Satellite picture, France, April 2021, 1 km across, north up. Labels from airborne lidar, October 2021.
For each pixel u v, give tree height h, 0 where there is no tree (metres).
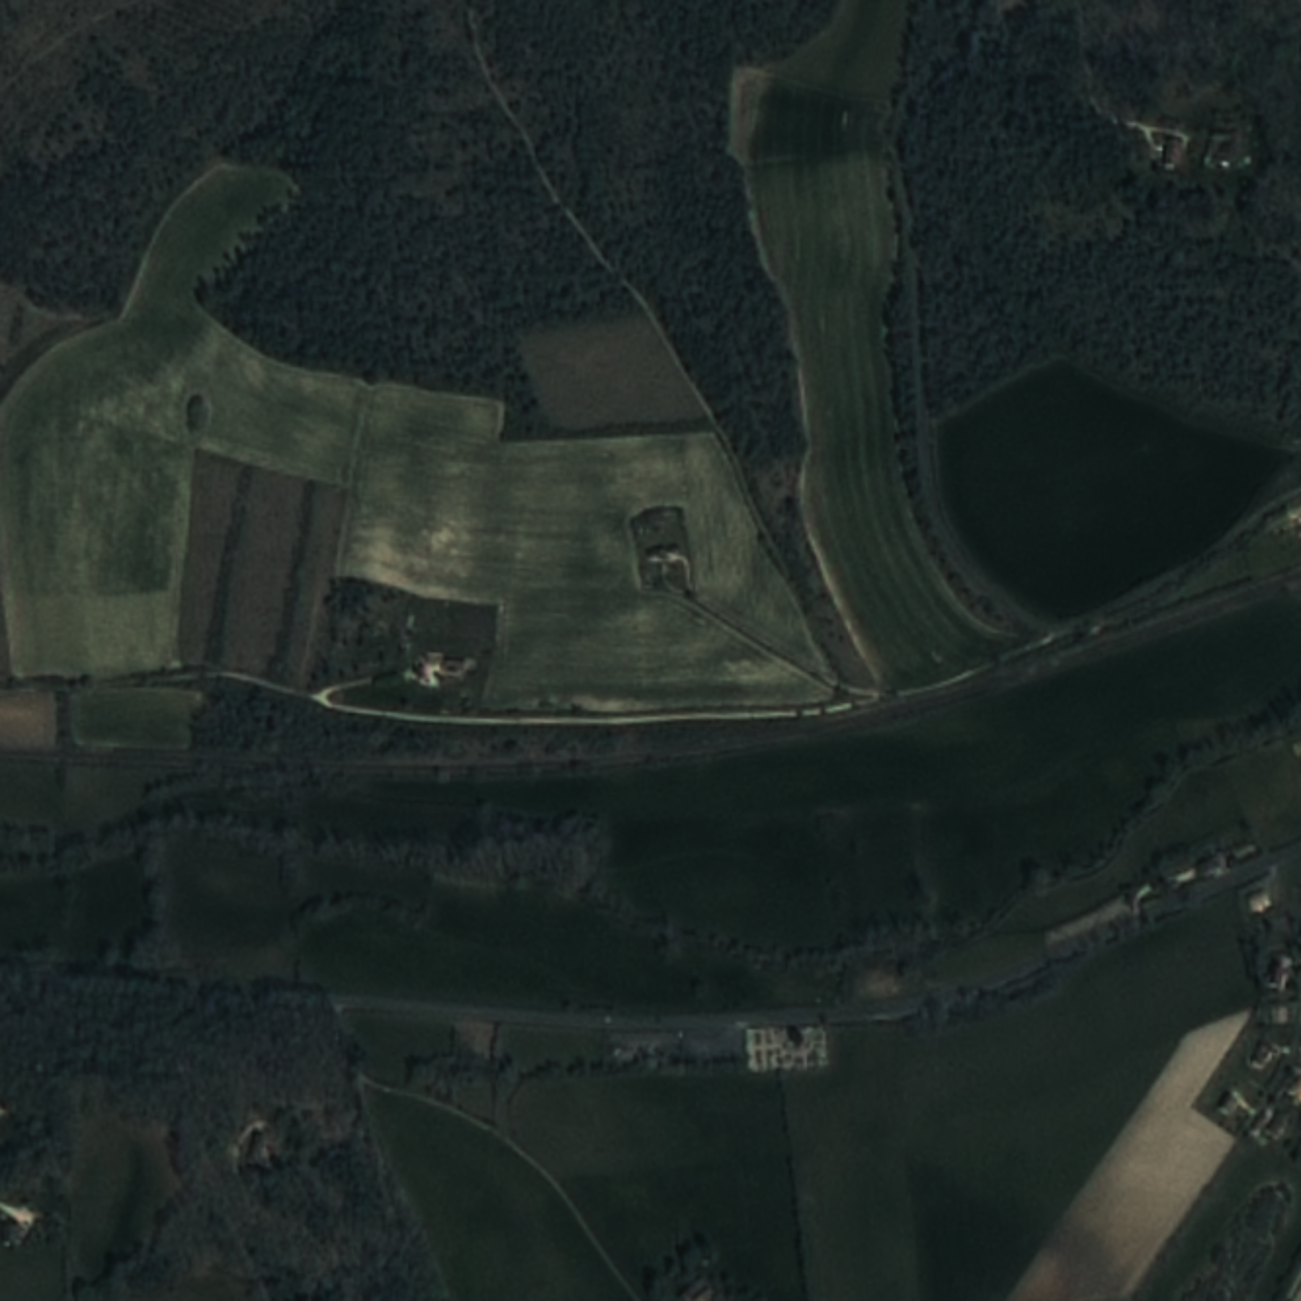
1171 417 0
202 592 0
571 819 11
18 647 0
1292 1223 0
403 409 0
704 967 0
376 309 10
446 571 0
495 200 10
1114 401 0
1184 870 15
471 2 10
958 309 8
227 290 11
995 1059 0
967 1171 0
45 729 0
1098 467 0
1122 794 0
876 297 0
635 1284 0
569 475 0
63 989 24
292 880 7
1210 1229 0
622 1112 0
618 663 0
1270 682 0
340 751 10
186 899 0
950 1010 8
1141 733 0
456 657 0
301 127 11
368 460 0
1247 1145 8
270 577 0
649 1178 0
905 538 0
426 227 9
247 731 16
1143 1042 0
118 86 5
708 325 19
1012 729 0
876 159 0
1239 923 0
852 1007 0
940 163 10
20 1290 0
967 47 14
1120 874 0
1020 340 7
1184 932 0
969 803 0
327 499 0
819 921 0
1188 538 0
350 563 0
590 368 0
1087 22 20
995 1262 0
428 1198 0
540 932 0
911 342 8
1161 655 0
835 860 0
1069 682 0
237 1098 19
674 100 12
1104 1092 0
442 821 0
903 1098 0
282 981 0
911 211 9
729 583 0
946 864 0
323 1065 24
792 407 11
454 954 0
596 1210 0
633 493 0
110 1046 20
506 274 9
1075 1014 0
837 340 0
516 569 0
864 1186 0
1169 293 12
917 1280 0
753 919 0
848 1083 0
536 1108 0
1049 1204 0
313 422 0
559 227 10
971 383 8
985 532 0
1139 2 18
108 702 0
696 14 20
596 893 28
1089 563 0
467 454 0
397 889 0
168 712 0
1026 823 0
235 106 9
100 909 0
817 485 0
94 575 0
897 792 0
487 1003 0
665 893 0
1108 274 10
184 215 0
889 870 0
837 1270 0
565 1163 0
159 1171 0
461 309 10
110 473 0
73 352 0
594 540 0
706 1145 0
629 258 13
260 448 0
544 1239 0
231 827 12
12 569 0
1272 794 0
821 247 0
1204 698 0
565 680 0
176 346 0
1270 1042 0
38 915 0
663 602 0
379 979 0
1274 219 19
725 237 12
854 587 0
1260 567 0
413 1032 0
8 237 16
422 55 7
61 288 14
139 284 0
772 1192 0
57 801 0
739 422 14
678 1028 0
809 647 0
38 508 0
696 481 0
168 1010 22
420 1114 0
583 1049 0
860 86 0
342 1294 20
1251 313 6
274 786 17
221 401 0
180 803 0
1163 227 13
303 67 12
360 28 16
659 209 9
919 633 0
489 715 8
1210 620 0
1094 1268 0
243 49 6
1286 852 0
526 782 16
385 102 11
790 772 0
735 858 0
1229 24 24
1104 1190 0
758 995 0
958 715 0
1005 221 8
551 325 12
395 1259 18
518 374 11
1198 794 0
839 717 0
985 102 11
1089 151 13
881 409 0
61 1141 24
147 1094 27
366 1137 7
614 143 6
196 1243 16
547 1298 0
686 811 0
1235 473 0
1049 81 23
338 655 0
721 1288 8
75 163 9
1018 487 0
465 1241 0
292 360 9
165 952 20
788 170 0
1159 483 0
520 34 8
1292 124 22
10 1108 23
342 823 0
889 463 0
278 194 0
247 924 0
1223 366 9
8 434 0
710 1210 0
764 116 0
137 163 14
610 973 0
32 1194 7
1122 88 24
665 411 0
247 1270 24
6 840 14
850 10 0
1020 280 10
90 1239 0
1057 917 0
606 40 8
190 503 0
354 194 8
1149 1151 0
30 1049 27
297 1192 22
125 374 0
